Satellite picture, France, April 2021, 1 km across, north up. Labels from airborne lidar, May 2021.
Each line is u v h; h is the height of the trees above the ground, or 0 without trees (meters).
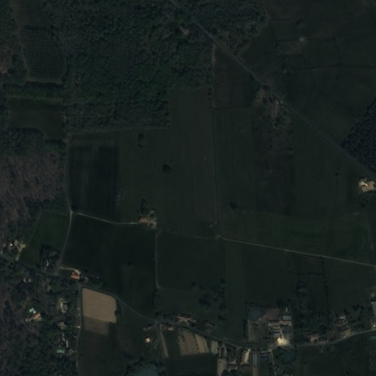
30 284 22
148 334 0
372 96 0
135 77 19
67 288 17
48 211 11
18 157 18
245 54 0
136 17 17
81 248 0
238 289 0
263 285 0
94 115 9
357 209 0
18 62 20
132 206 0
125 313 0
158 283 0
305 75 0
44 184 9
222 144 0
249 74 0
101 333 0
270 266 0
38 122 0
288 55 0
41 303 15
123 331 0
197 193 0
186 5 10
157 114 14
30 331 11
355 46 0
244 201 0
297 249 0
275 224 0
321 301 0
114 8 16
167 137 0
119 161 0
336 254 0
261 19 8
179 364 0
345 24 0
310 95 0
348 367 0
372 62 0
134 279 0
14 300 16
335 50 0
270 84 0
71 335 12
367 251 0
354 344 0
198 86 18
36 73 19
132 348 0
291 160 0
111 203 0
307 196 0
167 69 19
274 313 0
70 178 0
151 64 18
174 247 0
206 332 0
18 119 0
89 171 0
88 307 0
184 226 0
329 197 0
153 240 0
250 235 0
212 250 0
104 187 0
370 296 0
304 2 0
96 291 0
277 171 0
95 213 0
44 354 14
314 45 0
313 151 0
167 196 0
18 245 9
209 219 0
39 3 0
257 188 0
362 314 12
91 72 28
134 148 0
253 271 0
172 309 0
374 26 0
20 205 18
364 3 0
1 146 18
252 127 0
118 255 0
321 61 0
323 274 7
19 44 12
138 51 12
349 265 0
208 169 0
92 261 0
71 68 18
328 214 0
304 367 0
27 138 24
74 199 0
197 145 0
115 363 0
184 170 0
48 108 0
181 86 16
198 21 15
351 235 0
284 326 0
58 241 0
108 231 0
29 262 0
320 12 0
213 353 0
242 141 0
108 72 26
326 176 0
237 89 0
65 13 13
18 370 18
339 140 0
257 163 0
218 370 0
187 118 0
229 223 0
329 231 0
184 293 0
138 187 0
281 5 0
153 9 11
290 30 0
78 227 0
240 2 8
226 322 13
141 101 18
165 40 9
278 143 0
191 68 7
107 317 0
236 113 0
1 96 0
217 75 0
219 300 14
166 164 0
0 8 27
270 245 0
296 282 0
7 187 14
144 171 0
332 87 0
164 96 22
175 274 0
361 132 17
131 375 11
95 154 0
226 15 9
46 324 14
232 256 0
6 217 18
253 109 0
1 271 11
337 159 0
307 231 0
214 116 0
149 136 0
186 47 18
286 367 0
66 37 18
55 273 12
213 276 0
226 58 0
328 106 0
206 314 0
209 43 17
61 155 9
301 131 0
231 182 0
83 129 16
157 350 0
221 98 0
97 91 22
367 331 0
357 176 0
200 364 0
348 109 0
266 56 0
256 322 0
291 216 0
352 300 0
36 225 10
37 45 19
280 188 0
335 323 18
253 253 0
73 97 18
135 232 0
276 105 0
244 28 9
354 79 0
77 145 0
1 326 23
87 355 0
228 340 0
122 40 16
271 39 0
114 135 0
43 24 0
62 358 0
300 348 0
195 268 0
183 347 0
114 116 6
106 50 21
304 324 13
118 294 0
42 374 18
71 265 0
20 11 0
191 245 0
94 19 14
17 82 21
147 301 0
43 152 20
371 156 16
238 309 0
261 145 0
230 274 0
